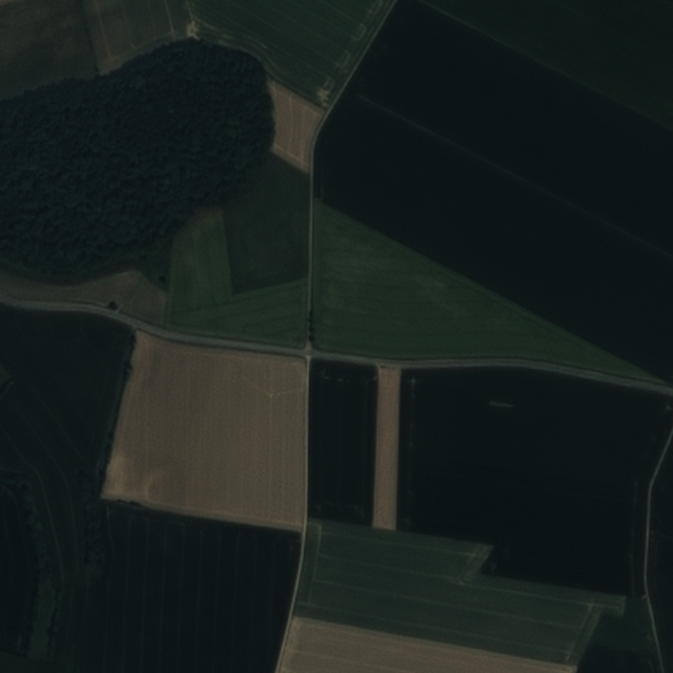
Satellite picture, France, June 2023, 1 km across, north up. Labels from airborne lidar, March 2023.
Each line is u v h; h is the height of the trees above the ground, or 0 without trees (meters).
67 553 0
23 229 19
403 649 0
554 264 0
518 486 0
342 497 0
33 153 23
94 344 0
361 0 0
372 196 0
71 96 22
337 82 0
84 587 0
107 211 20
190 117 25
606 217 0
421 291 0
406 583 0
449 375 0
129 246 23
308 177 0
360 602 0
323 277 0
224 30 0
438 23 0
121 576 0
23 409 0
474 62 0
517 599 0
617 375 0
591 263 0
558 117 0
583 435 0
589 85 0
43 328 0
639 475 0
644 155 0
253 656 0
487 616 0
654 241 0
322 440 0
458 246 0
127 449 0
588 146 0
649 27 0
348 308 0
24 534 0
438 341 0
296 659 0
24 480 7
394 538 0
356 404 0
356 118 0
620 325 0
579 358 0
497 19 0
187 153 17
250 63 17
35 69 0
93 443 0
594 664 0
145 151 20
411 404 0
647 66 0
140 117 24
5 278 0
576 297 0
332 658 0
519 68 0
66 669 0
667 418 0
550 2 0
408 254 0
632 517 0
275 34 0
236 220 0
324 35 0
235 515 0
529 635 0
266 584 0
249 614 0
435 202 0
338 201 0
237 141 23
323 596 0
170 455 0
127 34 0
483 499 0
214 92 20
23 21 0
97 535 16
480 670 0
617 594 0
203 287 0
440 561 0
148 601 0
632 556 0
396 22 0
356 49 0
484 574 0
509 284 0
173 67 24
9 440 0
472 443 0
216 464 0
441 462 0
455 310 0
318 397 0
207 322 0
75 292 0
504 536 0
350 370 0
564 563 0
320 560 0
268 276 0
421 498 0
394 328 0
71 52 0
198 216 0
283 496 0
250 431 0
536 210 0
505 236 0
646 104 0
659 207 0
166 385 0
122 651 0
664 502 0
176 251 0
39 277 0
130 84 23
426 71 0
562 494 0
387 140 0
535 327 0
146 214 23
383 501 0
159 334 0
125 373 11
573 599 0
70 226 16
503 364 0
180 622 0
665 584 0
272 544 0
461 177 0
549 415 0
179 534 0
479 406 0
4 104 7
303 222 0
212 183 19
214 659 0
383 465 0
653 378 0
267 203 0
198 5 0
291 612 0
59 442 0
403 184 0
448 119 0
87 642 0
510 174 0
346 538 0
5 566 0
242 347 0
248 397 0
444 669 0
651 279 0
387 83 0
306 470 0
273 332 0
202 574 0
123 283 0
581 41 0
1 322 0
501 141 0
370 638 0
